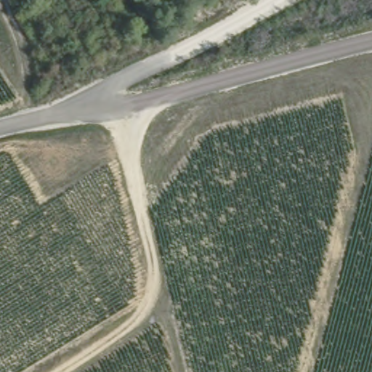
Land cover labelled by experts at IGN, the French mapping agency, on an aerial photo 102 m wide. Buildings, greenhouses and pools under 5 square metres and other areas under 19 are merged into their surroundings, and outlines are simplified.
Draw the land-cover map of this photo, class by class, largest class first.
<instances>
[{"label":"vineyard","instance_id":"1","mask_svg":"<svg viewBox=\"0 0 372 372\"><path fill-rule=\"evenodd\" d=\"M15 99V96L0 76V118L15 113L10 100ZM359 166V158L350 144L340 99L325 102L323 106L314 105L310 108L280 113L254 124L251 122L228 126L206 135L198 150L192 151L182 173L177 174L170 186L158 196L157 203L148 206V217L153 228L160 264L161 282L157 301L138 327L73 372H372V148L366 167L365 185L357 192L355 171ZM147 257L122 164L118 166L115 161H110L108 169L87 180L83 185L76 189L67 187L54 198L46 199L31 169L20 160L17 148L9 142L0 144V372H49L125 323L135 314L138 302L147 292Z\"/></svg>","mask_w":372,"mask_h":372},{"label":"coniferous trees","instance_id":"2","mask_svg":"<svg viewBox=\"0 0 372 372\"><path fill-rule=\"evenodd\" d=\"M248 3H259V0H0V7L3 6V12L9 16L10 25L22 33L25 39L22 52L26 54L29 62L25 90L31 97L32 105L35 106L45 105L80 89L96 78L112 76L135 62L151 57L158 52L166 51L171 45L192 38L203 29L221 22L225 17L234 15ZM372 31V0H296L291 6L283 7L278 13L257 20L251 28L232 35L221 44L198 49L185 61L169 67L129 84L128 90L150 93L166 84L176 86L185 81L217 74L222 68H230L240 61L259 62L264 57L288 55L299 49L314 48L357 33Z\"/></svg>","mask_w":372,"mask_h":372},{"label":"herbaceous vegetation","instance_id":"3","mask_svg":"<svg viewBox=\"0 0 372 372\"><path fill-rule=\"evenodd\" d=\"M25 39L22 33L10 25L9 16L3 12V6L0 7V76L15 96V99L10 100L15 113L35 106L32 105L31 97L25 90L29 62L26 54L22 52ZM340 99L350 144L359 158V166L355 171L357 192L365 185L366 167L372 148V54L346 58L288 76L247 84L231 92L202 94L170 108L155 116L148 125L142 141L141 170L147 190L148 206L157 203L158 196L170 186L177 174L182 173L192 151L198 150L206 135L228 126L251 122L254 124L280 113L310 108L314 105L323 106L325 102ZM9 142L17 148L20 160L31 169L46 199L54 198L67 187L76 189L83 185L87 180L108 169L110 161H115L118 166L122 164L109 129L103 126H67L0 138V144Z\"/></svg>","mask_w":372,"mask_h":372},{"label":"impervious surface","instance_id":"4","mask_svg":"<svg viewBox=\"0 0 372 372\"><path fill-rule=\"evenodd\" d=\"M372 54V31L357 33L314 48L299 49L288 55L264 57L259 62L240 61L230 68H222L217 74L185 81L176 86L166 84L150 93L128 90L129 84L169 67L163 61H155L151 57L135 62L112 76L96 78L80 89L45 105L35 106L15 113L0 118V138L67 126H103L109 121L132 118L134 112H141L163 103H169L170 108L202 94L231 92L247 84L288 76L346 58Z\"/></svg>","mask_w":372,"mask_h":372},{"label":"pervious surface","instance_id":"5","mask_svg":"<svg viewBox=\"0 0 372 372\"><path fill-rule=\"evenodd\" d=\"M296 0H259V3H248L234 15L225 17L221 22L203 29L192 38L171 45L166 51L158 52L151 57L155 61H163L169 67L185 61L198 49L221 44L232 35L251 28L257 20L278 13L283 7L291 6ZM170 108L169 103H163L141 112H134L132 118L109 121L103 126L109 129L122 164L147 257V292L138 302L135 314L125 323L49 372H73L138 327L157 301L161 282L160 264L153 228L148 217V206L147 190L141 170L142 141L148 125L155 116Z\"/></svg>","mask_w":372,"mask_h":372}]
</instances>
